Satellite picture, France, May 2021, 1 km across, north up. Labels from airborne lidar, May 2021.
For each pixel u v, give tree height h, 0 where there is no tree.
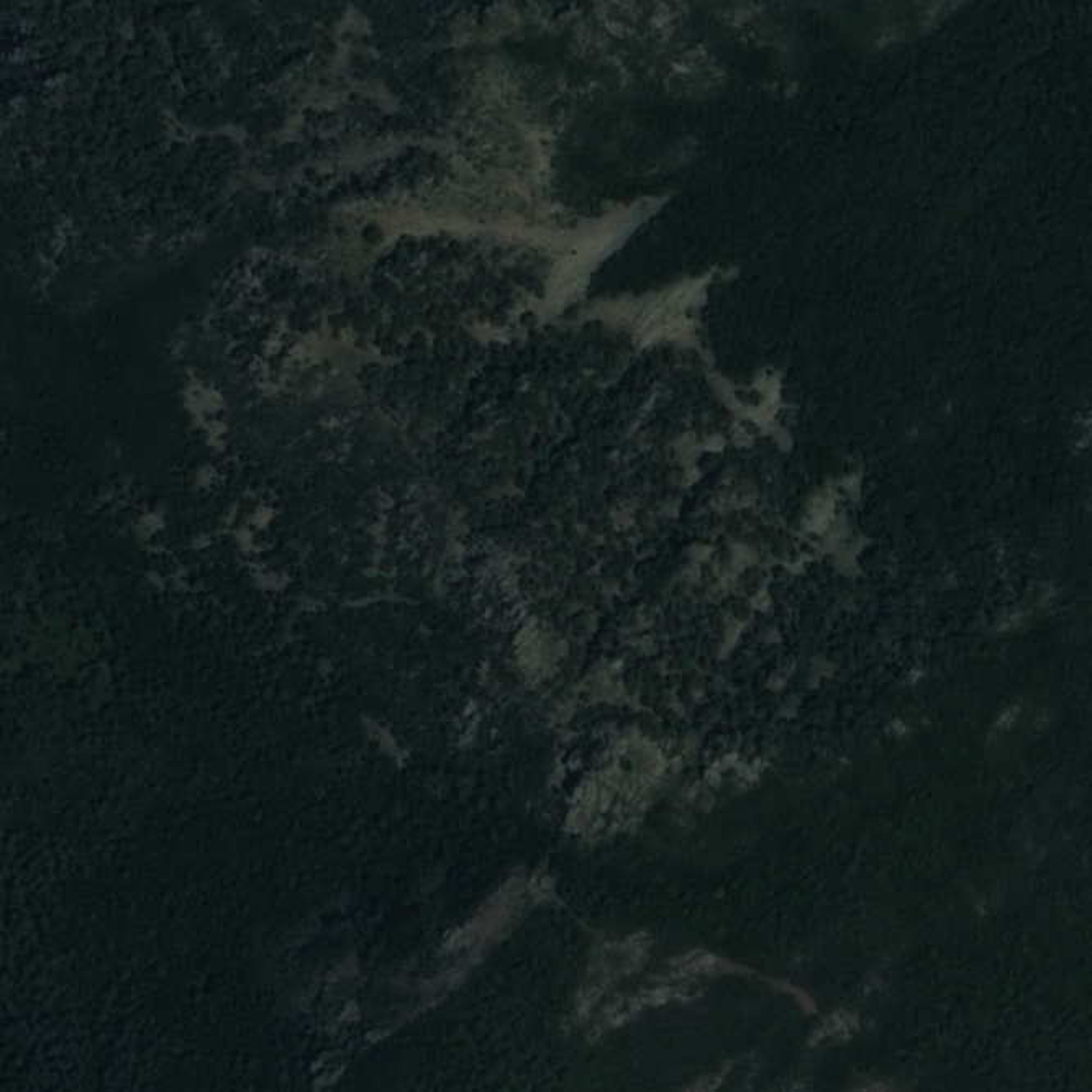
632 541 13
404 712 10
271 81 10
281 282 10
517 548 8
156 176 14
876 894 7
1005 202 13
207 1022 19
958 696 7
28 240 11
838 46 8
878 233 6
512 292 14
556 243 0
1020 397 11
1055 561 7
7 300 8
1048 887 7
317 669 8
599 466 5
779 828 8
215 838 15
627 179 8
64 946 14
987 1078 8
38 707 26
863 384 12
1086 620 6
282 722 11
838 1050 7
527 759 7
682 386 7
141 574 8
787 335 15
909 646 13
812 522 0
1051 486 17
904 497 17
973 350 11
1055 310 7
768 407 0
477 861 11
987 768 8
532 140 0
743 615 12
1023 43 9
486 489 13
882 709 12
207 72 6
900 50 11
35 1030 33
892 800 8
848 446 9
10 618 20
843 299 16
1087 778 7
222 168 9
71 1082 23
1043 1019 9
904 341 12
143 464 5
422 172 9
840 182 7
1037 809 6
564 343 9
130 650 14
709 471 10
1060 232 8
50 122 11
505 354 21
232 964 17
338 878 11
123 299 8
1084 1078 9
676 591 9
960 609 7
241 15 6
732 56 6
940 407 7
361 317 12
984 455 14
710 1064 6
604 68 6
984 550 8
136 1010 20
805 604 15
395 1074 9
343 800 11
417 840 14
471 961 0
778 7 6
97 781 8
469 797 10
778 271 10
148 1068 22
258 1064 19
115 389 7
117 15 9
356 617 7
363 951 8
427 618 7
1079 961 10
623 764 9
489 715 5
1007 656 8
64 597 12
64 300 6
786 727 14
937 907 6
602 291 10
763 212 9
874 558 21
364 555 8
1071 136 9
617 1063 9
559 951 6
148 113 10
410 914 13
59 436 10
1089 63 13
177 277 7
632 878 9
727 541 14
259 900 10
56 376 8
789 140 11
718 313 10
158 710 19
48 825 8
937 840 8
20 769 6
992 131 12
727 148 9
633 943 0
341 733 6
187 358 6
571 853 6
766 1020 6
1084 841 6
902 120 7
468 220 0
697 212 15
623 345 6
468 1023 7
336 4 9
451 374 14
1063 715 8
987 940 9
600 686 0
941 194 11
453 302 10
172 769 7
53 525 13
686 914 11
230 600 18
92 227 10
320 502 6
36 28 9
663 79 6
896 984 6
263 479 6
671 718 20
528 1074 16
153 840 15
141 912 14
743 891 12
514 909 0
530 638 0
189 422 8
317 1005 8
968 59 8
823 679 9
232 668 10
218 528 10
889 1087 0
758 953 7
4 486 14
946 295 15
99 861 13
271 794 13
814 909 15
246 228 7
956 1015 17
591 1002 0
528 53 7
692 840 6
